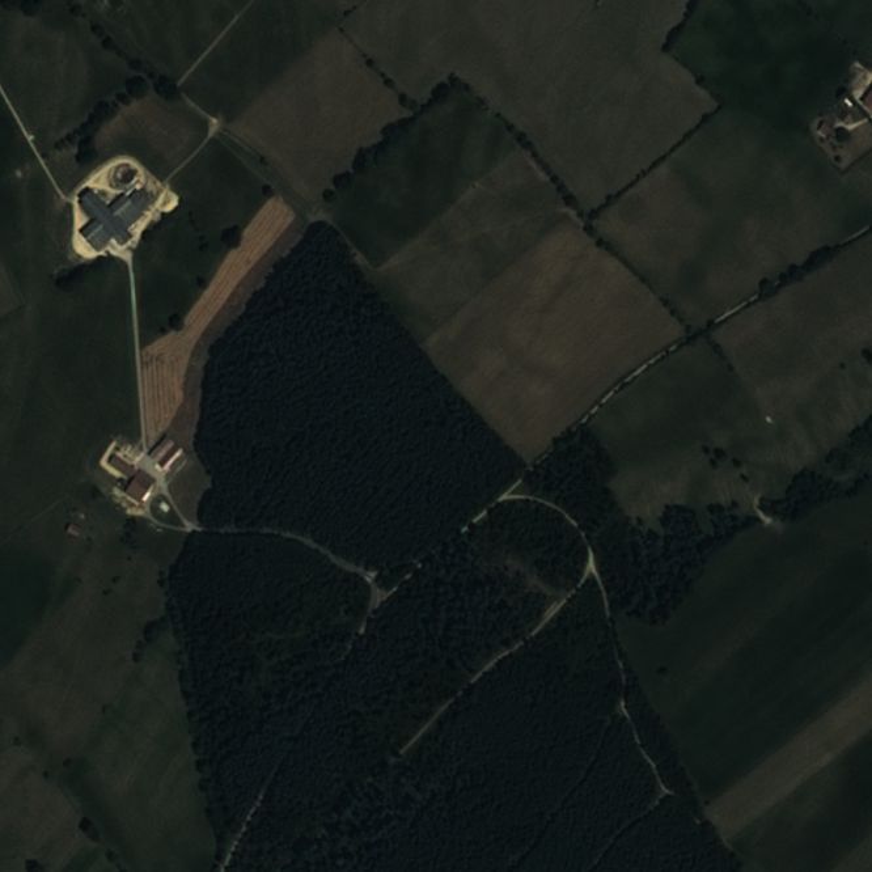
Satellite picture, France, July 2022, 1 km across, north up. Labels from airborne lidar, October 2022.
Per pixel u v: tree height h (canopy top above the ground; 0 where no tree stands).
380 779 31
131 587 0
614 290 0
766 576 0
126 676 0
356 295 9
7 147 0
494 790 14
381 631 15
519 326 0
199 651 18
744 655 0
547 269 0
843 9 0
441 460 21
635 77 0
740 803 0
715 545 24
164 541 0
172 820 0
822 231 0
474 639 34
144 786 0
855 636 0
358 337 22
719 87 0
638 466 0
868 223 0
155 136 0
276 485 18
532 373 0
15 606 0
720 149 0
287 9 0
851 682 0
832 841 0
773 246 0
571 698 7
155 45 0
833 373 0
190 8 0
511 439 0
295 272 24
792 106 0
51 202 0
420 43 0
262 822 11
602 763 12
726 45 0
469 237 0
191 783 0
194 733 13
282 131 0
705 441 0
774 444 0
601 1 0
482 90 0
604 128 0
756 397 0
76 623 0
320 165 0
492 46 0
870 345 0
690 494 0
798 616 0
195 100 0
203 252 10
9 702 0
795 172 0
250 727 13
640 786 10
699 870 12
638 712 11
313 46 0
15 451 0
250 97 0
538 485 28
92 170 0
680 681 0
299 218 0
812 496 15
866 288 0
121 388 0
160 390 0
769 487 0
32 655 0
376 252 0
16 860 0
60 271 0
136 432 0
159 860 0
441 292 0
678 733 0
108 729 0
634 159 0
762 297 9
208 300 0
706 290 0
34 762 0
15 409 0
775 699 0
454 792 12
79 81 0
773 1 0
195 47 0
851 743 0
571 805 10
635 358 0
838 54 0
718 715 0
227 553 16
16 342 0
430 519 22
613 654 10
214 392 25
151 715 0
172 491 0
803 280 16
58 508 0
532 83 0
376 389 23
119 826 0
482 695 11
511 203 0
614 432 0
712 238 0
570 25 0
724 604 0
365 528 19
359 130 0
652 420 0
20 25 0
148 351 0
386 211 0
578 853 17
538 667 9
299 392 22
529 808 16
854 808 0
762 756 0
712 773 0
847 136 9
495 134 0
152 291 0
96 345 0
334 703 26
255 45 0
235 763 24
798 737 0
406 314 0
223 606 13
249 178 0
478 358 0
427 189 0
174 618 16
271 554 16
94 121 14
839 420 0
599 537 9
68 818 0
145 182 0
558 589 6
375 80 0
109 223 0
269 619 12
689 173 0
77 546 0
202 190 0
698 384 0
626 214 0
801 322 0
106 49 14
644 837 11
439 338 0
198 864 0
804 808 0
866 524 0
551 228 0
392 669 26
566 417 0
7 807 0
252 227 0
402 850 22
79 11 12
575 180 0
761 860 0
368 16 0
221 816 6
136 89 22
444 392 22
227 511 21
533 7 0
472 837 17
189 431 0
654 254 0
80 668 0
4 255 0
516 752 10
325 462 21
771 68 0
